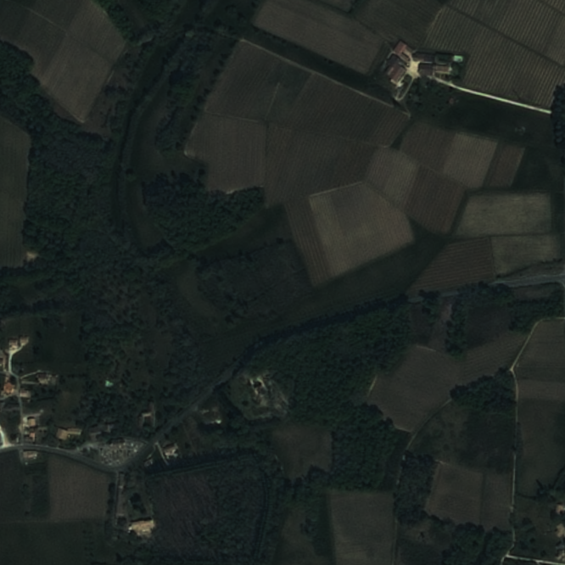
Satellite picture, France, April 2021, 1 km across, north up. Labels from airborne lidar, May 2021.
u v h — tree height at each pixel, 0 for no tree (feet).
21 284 29
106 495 0
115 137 62
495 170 0
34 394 51
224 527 50
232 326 59
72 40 0
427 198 0
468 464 0
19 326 0
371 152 0
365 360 61
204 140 0
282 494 59
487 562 73
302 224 0
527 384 0
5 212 0
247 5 0
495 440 0
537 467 0
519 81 0
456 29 0
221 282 60
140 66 51
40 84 64
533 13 0
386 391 0
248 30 0
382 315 59
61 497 0
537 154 0
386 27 0
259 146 0
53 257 44
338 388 68
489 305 61
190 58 45
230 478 54
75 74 0
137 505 38
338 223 0
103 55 0
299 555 0
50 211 55
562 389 0
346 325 76
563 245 0
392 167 0
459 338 39
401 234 0
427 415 0
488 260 0
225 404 33
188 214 62
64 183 42
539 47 0
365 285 0
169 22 49
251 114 0
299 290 21
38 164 69
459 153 0
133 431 42
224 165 0
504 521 0
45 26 0
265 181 0
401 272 0
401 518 45
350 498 0
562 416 0
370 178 0
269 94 0
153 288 51
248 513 46
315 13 0
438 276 0
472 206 0
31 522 0
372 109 0
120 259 52
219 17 0
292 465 0
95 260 55
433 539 0
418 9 0
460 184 0
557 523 47
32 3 0
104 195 66
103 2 58
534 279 0
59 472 0
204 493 72
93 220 25
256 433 68
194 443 0
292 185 0
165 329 46
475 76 0
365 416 75
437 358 0
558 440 0
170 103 18
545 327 0
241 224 52
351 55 0
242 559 73
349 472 76
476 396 63
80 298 40
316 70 0
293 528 0
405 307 55
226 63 34
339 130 0
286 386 64
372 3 0
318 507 46
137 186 0
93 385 26
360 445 73
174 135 49
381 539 0
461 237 0
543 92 0
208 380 48
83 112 0
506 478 0
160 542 43
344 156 0
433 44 0
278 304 32
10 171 0
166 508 73
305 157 0
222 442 72
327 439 0
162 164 0
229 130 0
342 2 0
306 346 65
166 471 93
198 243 76
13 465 0
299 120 0
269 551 48
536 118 0
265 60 0
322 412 84
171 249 69
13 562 0
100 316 54
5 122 0
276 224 0
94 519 0
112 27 0
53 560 0
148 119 0
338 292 0
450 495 0
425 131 0
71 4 0
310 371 59
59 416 0
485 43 0
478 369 0
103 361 33
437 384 0
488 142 0
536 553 33
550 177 0
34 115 62
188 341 82
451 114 0
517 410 44
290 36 0
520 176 0
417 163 0
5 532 0
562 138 66
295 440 0
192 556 67
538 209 0
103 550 0
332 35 0
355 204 0
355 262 0
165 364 0
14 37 0
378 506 0
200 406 0
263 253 23
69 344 0
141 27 0
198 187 42
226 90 0
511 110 0
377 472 67
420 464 28
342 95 0
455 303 0
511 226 0
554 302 27
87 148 86
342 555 0
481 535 68
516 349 0
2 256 0
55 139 91
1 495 0
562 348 0
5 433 0
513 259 0
